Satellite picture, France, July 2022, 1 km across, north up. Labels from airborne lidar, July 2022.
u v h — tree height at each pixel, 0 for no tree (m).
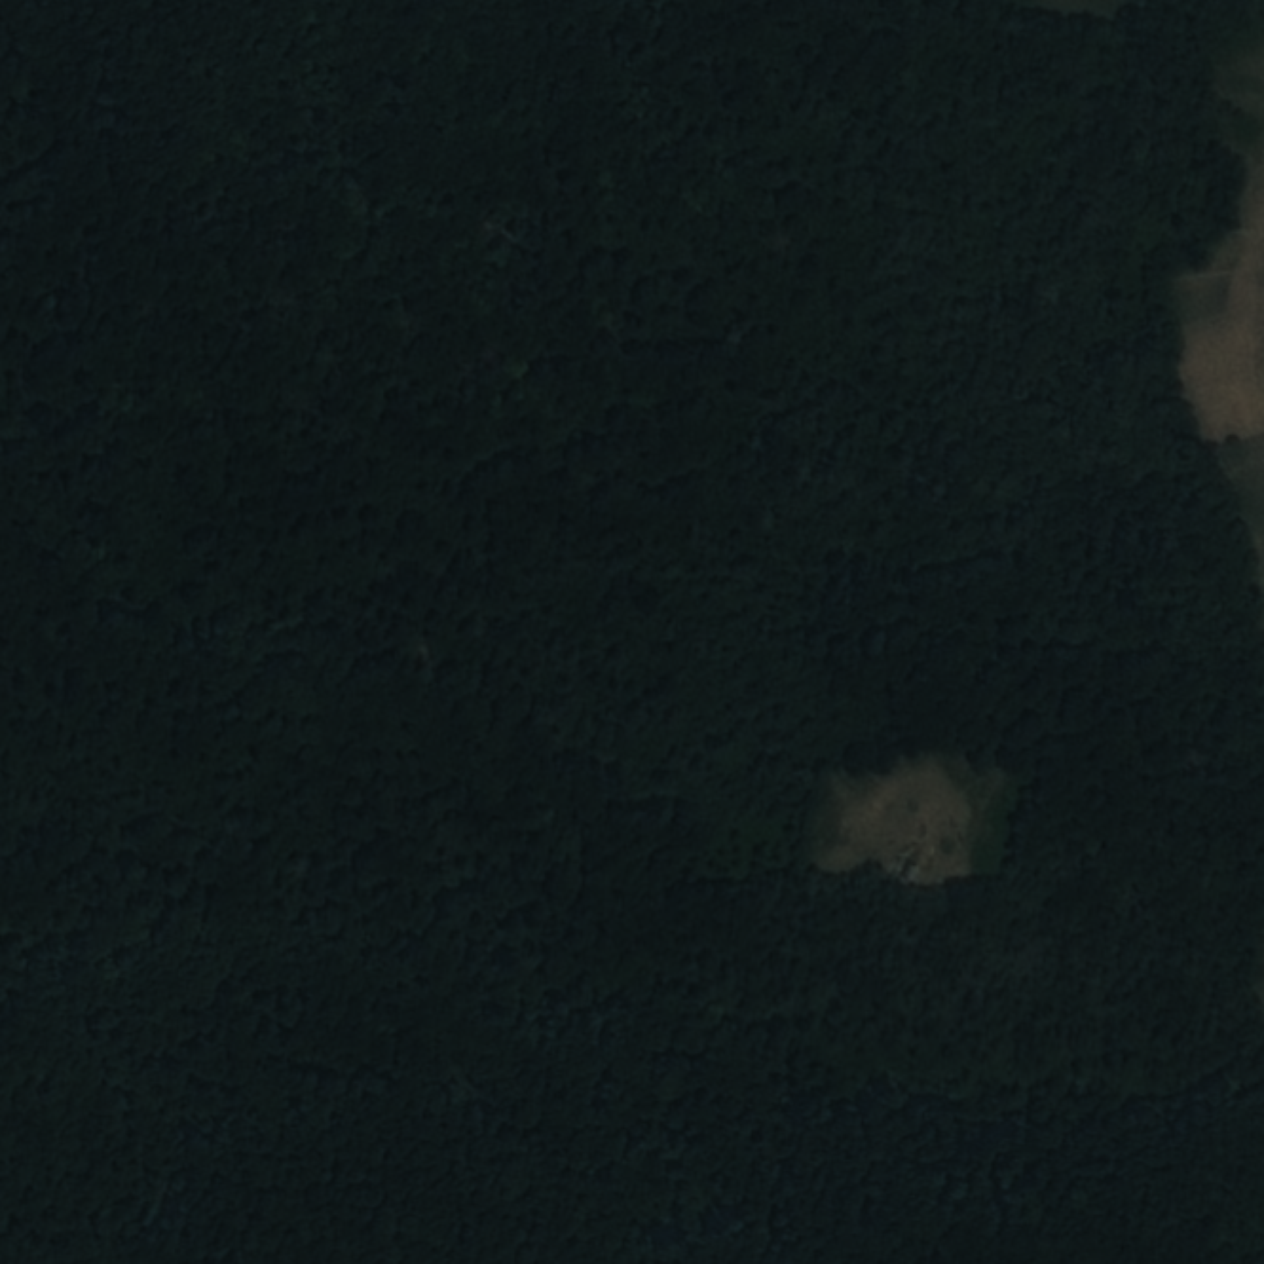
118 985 26
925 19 20
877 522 19
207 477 26
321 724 29
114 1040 24
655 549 12
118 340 27
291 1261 26
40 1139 32
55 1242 27
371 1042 33
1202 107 29
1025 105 25
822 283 9
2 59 34
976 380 28
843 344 11
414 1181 33
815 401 10
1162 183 23
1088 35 22
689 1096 33
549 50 26
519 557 30
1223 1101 38
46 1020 31
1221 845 23
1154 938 19
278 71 23
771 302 11
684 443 30
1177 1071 14
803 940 22
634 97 21
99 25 28
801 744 13
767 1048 24
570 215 28
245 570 9
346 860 12
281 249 23
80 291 27
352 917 21
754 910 23
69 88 30
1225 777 23
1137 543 35
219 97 25
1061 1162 35
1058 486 26
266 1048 26
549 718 22
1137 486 27
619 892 27
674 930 23
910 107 25
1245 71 0
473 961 31
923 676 28
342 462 27
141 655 28
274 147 18
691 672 12
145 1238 35
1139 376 25
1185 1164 27
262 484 29
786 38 11
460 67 28
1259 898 29
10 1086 25
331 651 32
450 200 19
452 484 19
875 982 21
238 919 31
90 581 30
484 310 22
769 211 25
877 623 11
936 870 0
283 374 13
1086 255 29
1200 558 24
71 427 31
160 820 26
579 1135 33
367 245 12
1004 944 7
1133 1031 26
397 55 25
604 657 7
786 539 13
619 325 26
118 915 31
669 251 7
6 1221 29
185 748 23
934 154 11
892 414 22
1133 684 32
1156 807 25
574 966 10
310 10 27
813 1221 28
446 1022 33
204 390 20
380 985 26
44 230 29
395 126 27
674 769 9
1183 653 21
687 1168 35
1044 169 21
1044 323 25
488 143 24
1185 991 21
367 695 26
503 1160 31
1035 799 13
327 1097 33
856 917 25
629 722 27
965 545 12
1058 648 28
